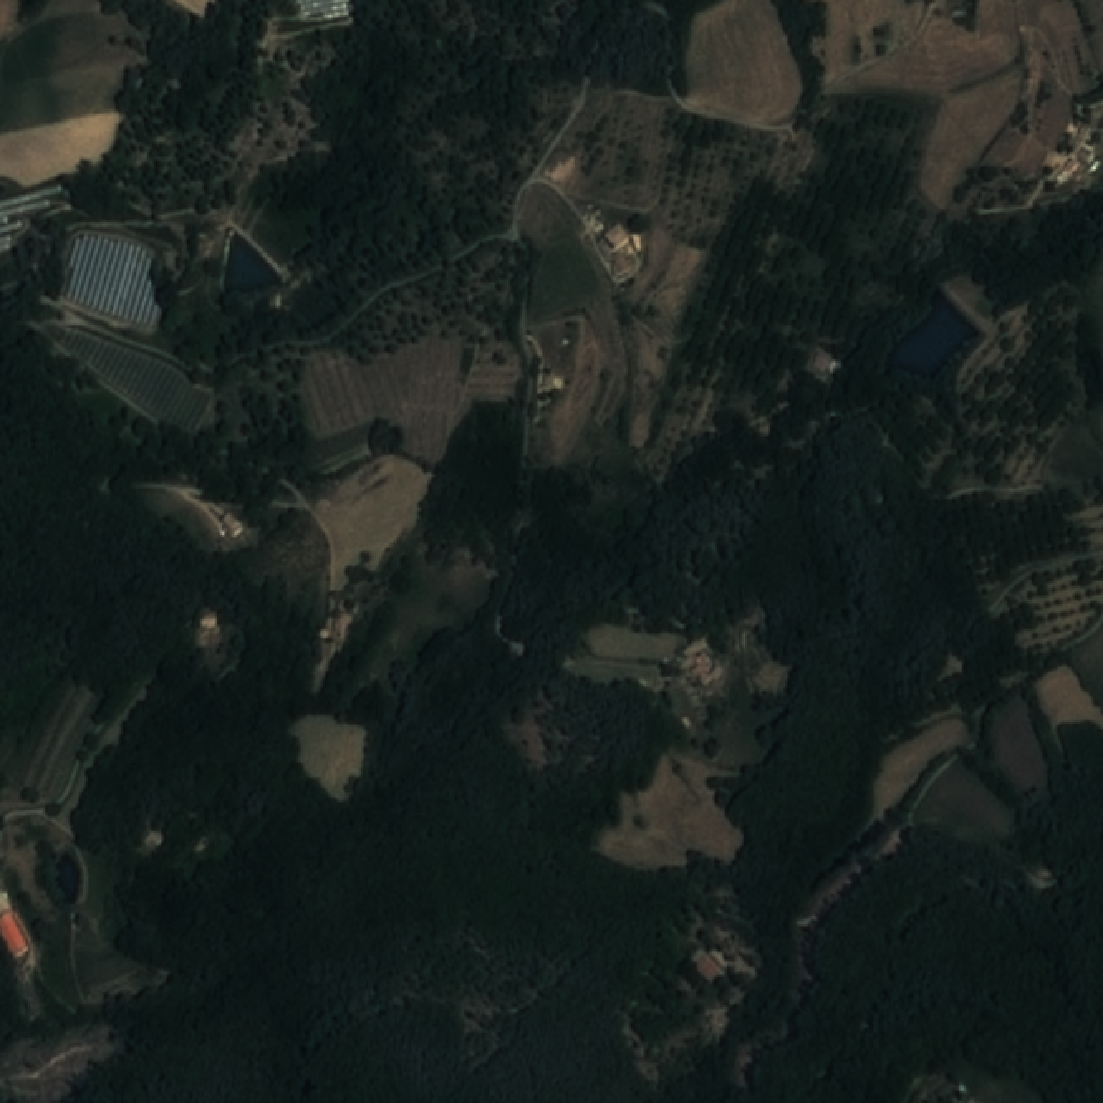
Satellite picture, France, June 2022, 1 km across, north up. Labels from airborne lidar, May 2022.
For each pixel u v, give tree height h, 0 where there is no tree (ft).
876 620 80
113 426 38
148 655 70
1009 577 31
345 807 44
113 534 69
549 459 0
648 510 27
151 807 64
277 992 93
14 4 0
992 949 69
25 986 0
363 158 50
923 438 27
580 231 0
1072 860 47
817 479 57
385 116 31
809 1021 98
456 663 47
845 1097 60
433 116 36
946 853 62
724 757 0
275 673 61
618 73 55
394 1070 53
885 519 39
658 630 27
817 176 27
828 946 91
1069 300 33
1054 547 25
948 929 73
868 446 65
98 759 33
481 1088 57
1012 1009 60
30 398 70
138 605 67
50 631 50
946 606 52
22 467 73
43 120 0
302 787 32
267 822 47
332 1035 71
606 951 52
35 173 0
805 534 84
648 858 0
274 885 89
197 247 31
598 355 0
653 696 33
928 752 0
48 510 68
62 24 0
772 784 66
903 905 64
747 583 59
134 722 65
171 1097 64
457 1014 54
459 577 0
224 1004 80
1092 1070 80
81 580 57
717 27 0
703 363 27
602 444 0
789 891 88
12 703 34
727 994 58
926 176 0
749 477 27
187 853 50
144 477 36
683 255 0
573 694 58
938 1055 46
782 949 89
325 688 32
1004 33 0
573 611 58
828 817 81
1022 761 0
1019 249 62
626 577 47
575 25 29
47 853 36
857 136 19
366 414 0
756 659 0
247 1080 64
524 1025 62
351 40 60
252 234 0
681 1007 52
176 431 58
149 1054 69
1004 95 0
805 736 75
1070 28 0
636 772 69
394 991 48
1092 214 64
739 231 37
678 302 0
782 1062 65
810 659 72
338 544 0
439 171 23
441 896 54
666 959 75
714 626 36
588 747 60
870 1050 60
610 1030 62
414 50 29
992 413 30
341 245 65
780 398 33
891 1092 49
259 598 46
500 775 62
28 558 61
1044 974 57
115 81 0
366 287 53
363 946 67
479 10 28
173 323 56
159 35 58
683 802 0
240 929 64
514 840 64
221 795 28
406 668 61
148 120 41
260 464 43
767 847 72
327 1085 74
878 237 29
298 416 46
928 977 77
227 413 52
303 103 60
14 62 0
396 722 26
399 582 35
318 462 0
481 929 55
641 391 0
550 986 46
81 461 69
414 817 65
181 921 65
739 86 0
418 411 0
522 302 42
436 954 56
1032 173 0
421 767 69
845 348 33
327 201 64
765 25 0
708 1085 93
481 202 31
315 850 93
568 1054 55
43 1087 0
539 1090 74
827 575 57
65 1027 53
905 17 0
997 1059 51
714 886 60
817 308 26
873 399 58
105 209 55
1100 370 35
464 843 64
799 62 20
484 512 48
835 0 0
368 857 69
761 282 33
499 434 21
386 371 0
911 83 0
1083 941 56
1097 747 38
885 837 94
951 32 0
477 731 58
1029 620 24
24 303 51
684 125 31
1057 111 0
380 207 53
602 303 0
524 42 47
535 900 55
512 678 56
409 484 0
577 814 69
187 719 66
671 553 66
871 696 80
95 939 0
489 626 54
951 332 0
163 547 69
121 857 46
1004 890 56
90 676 72
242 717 57
